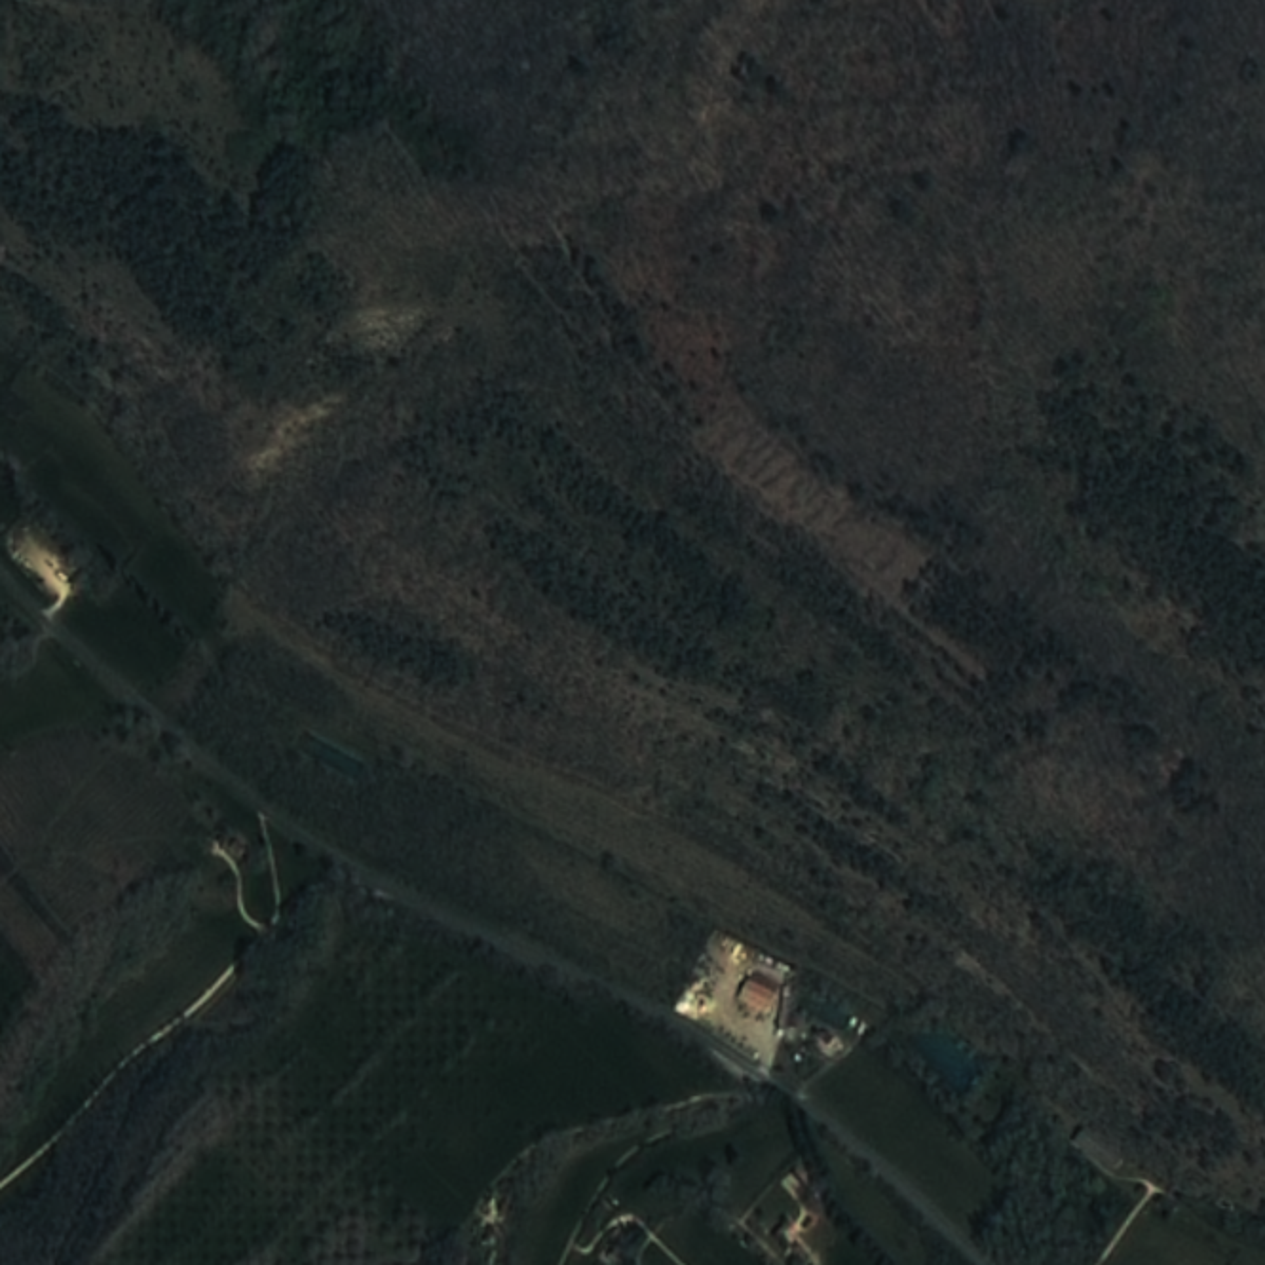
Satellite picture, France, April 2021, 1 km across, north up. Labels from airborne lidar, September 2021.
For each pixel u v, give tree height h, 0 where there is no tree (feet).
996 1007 40
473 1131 21
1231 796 41
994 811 62
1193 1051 65
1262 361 48
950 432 41
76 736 0
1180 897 45
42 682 0
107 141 44
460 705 29
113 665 0
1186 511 68
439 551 41
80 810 0
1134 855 44
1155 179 24
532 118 55
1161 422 37
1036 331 62
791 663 38
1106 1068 47
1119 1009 18
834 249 57
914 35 24
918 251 53
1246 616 67
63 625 0
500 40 57
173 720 0
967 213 49
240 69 37
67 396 20
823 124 66
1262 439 60
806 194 35
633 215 28
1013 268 52
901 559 0
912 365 30
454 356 32
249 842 0
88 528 0
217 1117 43
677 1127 25
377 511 44
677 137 55
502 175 48
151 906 70
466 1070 26
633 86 54
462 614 24
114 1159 66
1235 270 53
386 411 36
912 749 54
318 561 36
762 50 59
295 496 52
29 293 52
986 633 75
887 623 47
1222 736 51
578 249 24
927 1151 0
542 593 24
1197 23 48
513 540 29
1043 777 49
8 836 0
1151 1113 36
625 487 26
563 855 20
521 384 26
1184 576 79
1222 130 47
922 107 34
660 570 24
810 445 47
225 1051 29
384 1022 31
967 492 55
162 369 30
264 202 44
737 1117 25
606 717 26
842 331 45
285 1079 24
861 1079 0
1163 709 49
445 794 54
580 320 49
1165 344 60
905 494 43
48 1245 62
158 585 0
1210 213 56
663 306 28
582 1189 0
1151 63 28
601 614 42
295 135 50
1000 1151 81
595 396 39
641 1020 45
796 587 51
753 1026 0
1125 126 26
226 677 59
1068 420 74
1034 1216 46
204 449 32
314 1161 24
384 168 66
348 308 21
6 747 0
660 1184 28
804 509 0
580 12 61
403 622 39
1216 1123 52
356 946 27
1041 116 34
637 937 25
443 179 39
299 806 54
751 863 30
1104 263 42
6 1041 47
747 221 54
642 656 27
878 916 46
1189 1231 0
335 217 60
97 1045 0
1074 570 51
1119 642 59
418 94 47
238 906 0
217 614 30
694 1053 38
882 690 56
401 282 51
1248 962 64
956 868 29
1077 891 53
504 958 24
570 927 26
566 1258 0
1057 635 37
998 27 39
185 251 45
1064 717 41
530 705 32
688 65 45
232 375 36
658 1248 0
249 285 24
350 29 33
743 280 30
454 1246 55
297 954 59
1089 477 67
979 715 59
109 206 36
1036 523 61
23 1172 0
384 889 0
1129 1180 0
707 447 25
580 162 42
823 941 21
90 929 38
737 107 45
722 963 0
